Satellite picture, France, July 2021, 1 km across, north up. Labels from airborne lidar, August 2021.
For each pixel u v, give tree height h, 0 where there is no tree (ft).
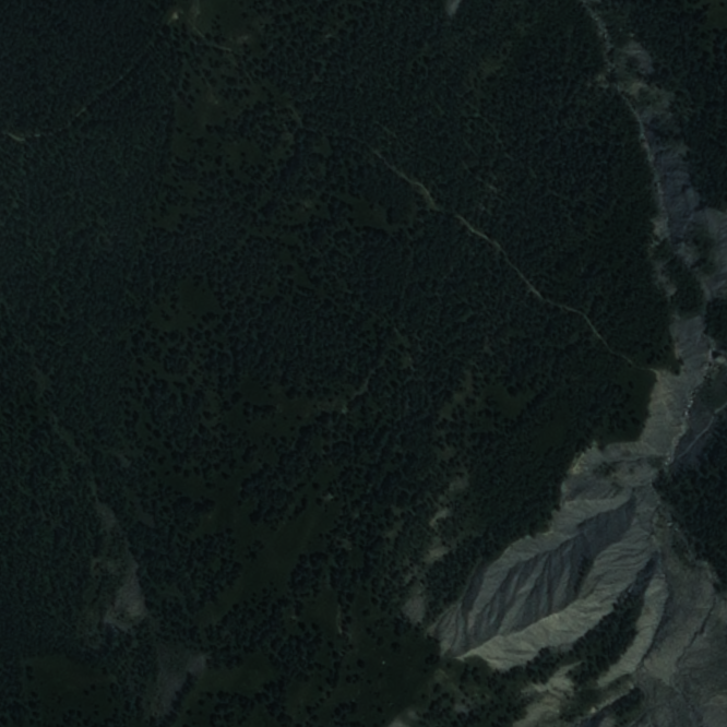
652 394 0
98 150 45
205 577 30
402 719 0
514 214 52
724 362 0
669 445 0
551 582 0
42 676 0
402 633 51
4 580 61
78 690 0
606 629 49
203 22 0
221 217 59
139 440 39
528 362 54
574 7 44
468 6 35
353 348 64
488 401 29
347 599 27
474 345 55
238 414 0
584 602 0
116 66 77
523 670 26
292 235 27
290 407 0
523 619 0
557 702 0
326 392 45
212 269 44
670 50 34
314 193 43
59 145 60
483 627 0
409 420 67
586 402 28
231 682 0
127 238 56
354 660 0
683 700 0
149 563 50
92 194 58
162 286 53
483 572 0
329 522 0
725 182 65
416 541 30
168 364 67
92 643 19
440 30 55
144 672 25
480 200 39
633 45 0
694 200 0
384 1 53
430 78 49
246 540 0
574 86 58
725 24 0
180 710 46
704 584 0
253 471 0
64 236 73
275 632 52
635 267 31
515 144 64
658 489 24
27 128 61
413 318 54
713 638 0
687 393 0
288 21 62
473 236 19
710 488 66
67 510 59
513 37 37
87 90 76
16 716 59
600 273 67
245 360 67
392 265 67
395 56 44
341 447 41
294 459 65
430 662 28
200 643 31
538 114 56
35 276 69
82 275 68
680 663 0
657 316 25
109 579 30
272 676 0
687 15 56
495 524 21
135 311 59
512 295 48
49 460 66
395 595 57
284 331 66
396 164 67
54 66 63
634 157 26
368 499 65
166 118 63
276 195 26
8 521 59
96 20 80
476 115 33
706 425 0
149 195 59
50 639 62
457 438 58
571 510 0
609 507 0
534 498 37
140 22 75
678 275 34
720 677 0
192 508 59
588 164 57
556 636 0
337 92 45
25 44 83
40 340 76
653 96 0
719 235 0
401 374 63
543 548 0
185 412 66
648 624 0
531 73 38
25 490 63
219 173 31
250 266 48
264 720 0
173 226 0
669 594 0
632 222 28
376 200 63
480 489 27
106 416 54
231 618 38
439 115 64
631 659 0
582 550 0
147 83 78
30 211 31
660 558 0
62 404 57
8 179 70
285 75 71
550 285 24
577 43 49
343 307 34
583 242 37
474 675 32
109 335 49
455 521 32
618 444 0
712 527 72
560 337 32
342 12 42
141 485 38
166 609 26
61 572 39
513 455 35
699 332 0
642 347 35
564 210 27
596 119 18
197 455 53
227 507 0
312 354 52
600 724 0
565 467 30
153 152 50
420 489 51
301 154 70
